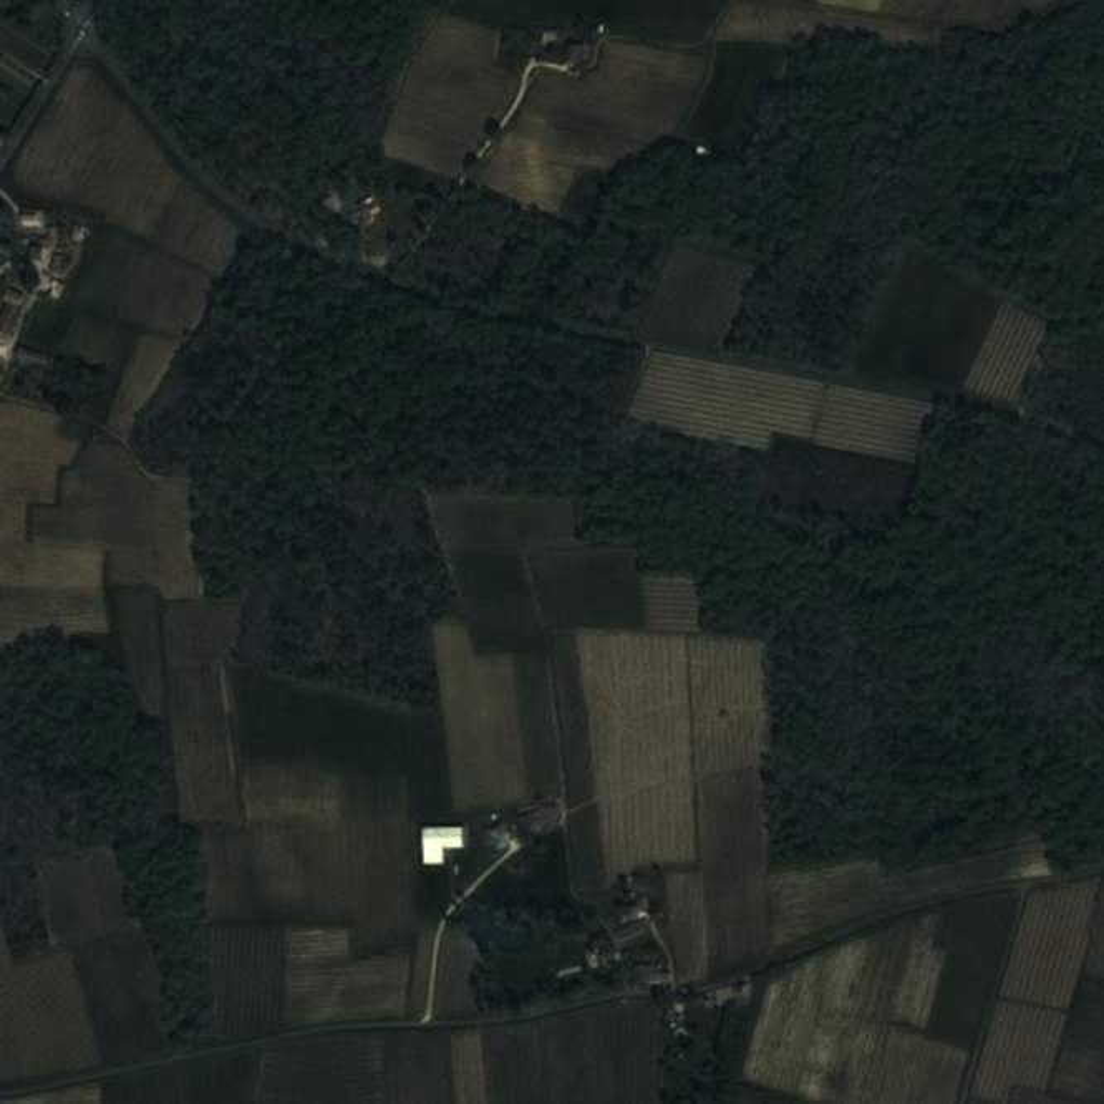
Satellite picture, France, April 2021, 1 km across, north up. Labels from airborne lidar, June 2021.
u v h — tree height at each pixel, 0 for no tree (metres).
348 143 21
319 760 0
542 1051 0
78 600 0
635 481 16
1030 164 19
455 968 0
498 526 0
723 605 15
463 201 11
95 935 0
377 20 29
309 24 26
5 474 0
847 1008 0
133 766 22
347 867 0
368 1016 0
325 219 18
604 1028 0
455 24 0
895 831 23
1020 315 0
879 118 13
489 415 29
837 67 22
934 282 0
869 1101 0
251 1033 0
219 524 17
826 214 20
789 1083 0
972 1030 0
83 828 11
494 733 0
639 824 0
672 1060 8
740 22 0
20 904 12
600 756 0
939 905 0
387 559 16
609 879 0
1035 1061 0
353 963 0
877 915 0
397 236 0
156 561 0
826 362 21
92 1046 0
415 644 15
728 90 0
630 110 0
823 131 18
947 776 26
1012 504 23
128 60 18
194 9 20
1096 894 0
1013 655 12
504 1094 0
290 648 25
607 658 0
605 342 9
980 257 24
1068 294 17
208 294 0
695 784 0
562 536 0
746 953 0
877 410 0
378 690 12
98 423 0
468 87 0
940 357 0
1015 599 20
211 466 15
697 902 0
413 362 26
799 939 0
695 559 16
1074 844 14
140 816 21
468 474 17
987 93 15
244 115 23
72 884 0
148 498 0
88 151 0
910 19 0
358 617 15
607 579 0
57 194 0
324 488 24
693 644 0
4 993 0
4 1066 0
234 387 12
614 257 18
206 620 0
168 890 19
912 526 24
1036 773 27
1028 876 0
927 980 0
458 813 0
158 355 0
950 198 18
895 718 20
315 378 27
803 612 15
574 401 18
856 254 19
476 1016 0
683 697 0
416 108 0
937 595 24
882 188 13
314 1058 0
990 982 0
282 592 13
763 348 15
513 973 0
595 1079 0
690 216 20
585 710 0
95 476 0
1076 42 17
